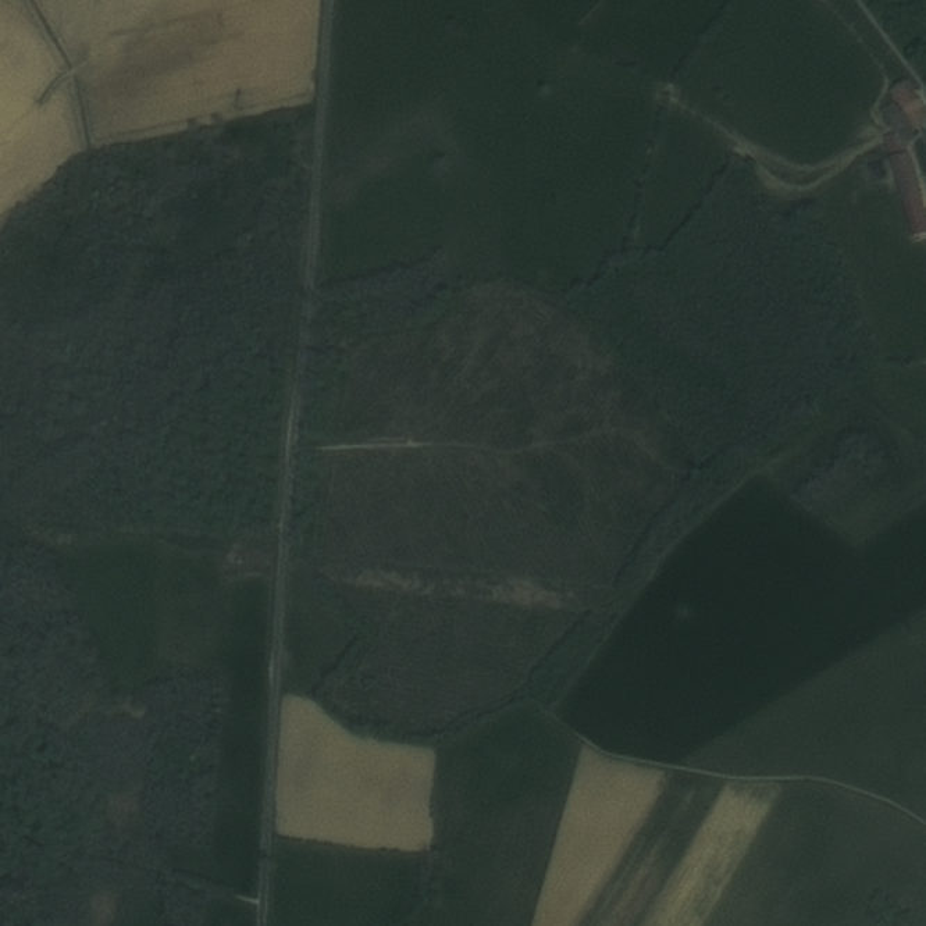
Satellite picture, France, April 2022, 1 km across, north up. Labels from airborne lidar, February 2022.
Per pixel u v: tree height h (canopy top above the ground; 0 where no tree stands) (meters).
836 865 0
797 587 0
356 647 11
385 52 0
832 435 0
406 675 0
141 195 7
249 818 0
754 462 18
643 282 12
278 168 0
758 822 0
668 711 0
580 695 0
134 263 18
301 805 0
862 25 0
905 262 0
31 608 19
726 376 12
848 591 0
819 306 15
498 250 0
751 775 0
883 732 0
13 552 14
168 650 0
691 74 0
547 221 0
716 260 14
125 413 12
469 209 0
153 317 10
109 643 0
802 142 0
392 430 0
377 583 0
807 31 0
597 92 0
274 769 0
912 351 0
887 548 0
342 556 0
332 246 0
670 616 0
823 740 0
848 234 0
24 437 23
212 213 0
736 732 0
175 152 13
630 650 0
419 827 0
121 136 0
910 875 0
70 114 0
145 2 0
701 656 0
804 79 0
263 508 17
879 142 0
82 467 27
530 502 0
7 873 29
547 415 0
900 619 0
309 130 0
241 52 0
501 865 0
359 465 0
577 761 0
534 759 0
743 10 0
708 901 0
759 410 13
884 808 0
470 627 0
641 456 0
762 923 0
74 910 18
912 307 0
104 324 11
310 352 18
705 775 0
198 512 22
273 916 0
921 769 0
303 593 0
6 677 27
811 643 0
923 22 27
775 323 14
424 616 0
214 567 0
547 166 0
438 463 0
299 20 0
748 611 0
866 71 0
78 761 20
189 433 23
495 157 0
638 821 0
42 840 24
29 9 0
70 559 0
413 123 0
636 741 0
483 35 0
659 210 0
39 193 8
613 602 0
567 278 0
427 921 0
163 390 21
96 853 21
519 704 10
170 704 19
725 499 8
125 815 0
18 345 15
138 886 18
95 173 11
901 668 0
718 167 0
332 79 0
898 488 0
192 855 0
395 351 0
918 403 0
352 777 0
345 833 0
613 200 0
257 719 0
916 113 0
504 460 0
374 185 0
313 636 0
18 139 0
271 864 20
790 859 0
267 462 16
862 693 0
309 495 21
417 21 0
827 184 0
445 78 0
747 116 0
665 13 0
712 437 13
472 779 0
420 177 0
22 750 24
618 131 0
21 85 0
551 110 0
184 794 19
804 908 0
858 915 0
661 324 11
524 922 0
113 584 0
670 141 0
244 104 0
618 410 0
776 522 0
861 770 0
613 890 0
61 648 24
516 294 0
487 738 0
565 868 0
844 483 19
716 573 0
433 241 0
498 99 0
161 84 0
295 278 13
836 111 0
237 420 25
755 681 0
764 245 13
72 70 0
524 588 0
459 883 0
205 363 20
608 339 8
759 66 0
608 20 0
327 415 22
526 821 0
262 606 0
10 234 13
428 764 0
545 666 6
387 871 0
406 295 27
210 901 11
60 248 7
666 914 0
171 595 0
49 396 17
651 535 9
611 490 0
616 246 0
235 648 0
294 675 0
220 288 12
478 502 0
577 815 0
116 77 0
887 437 0
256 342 19
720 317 14
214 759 20
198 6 0
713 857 0
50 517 18
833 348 12
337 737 0
